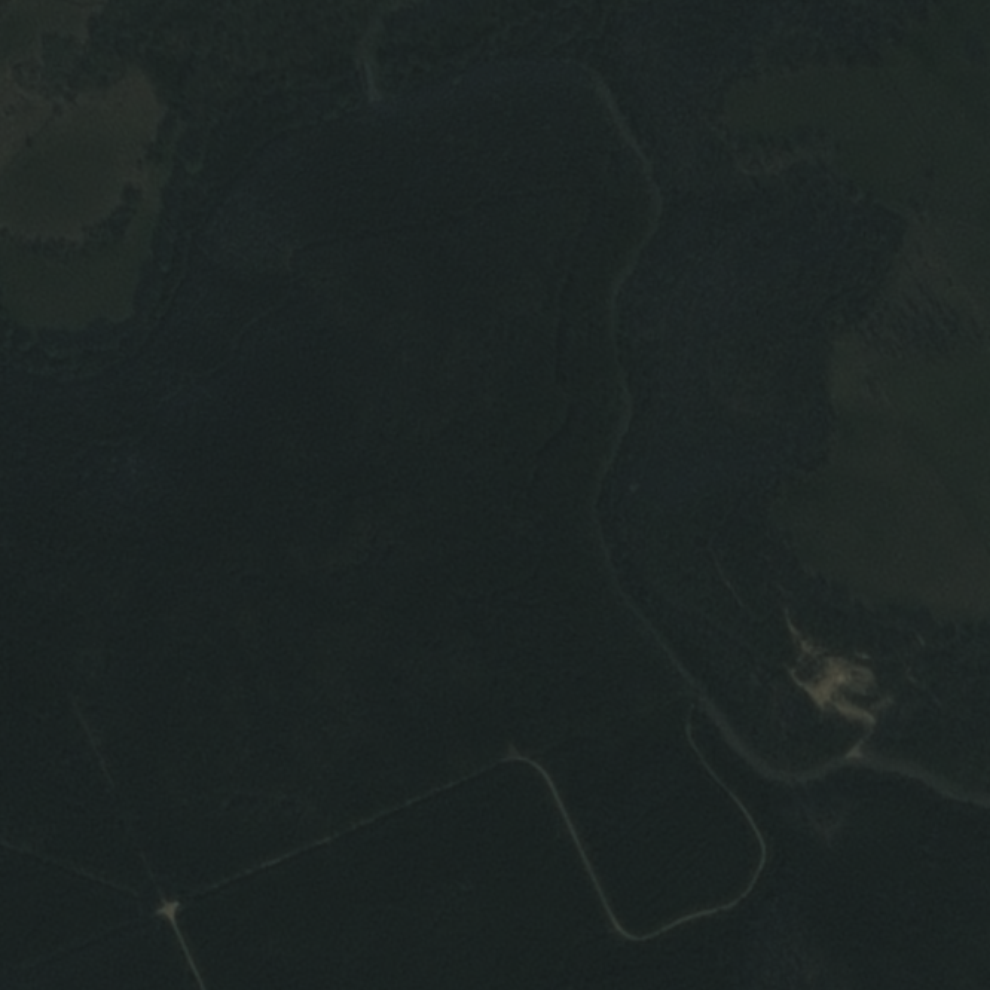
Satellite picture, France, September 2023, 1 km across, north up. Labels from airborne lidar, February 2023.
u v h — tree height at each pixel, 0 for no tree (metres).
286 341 15
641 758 8
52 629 14
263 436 16
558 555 21
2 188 0
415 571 15
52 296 0
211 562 14
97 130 0
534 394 15
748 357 14
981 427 0
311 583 13
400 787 14
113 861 13
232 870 9
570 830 0
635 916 7
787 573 13
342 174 18
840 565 0
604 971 7
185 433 14
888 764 0
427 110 18
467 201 17
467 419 14
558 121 19
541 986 7
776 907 11
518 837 6
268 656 13
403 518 12
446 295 14
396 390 15
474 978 7
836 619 16
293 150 11
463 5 24
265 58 15
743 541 15
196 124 12
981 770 14
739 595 16
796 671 0
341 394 19
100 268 0
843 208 14
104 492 24
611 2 19
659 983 6
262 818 10
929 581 0
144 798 12
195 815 11
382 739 15
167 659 15
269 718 14
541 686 17
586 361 23
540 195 13
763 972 28
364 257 15
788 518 0
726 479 18
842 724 17
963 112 0
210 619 15
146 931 15
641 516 17
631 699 16
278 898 5
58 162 0
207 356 17
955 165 0
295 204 14
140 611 18
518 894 6
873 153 0
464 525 13
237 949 7
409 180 18
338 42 20
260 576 13
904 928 7
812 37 19
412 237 14
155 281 23
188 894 22
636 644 14
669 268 21
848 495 0
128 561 17
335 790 14
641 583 7
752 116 0
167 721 12
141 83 0
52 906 6
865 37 20
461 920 6
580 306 18
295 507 11
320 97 22
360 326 10
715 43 5
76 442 23
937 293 0
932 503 0
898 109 0
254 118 20
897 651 16
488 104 17
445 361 11
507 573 13
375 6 16
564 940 7
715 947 8
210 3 16
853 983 0
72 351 22
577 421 16
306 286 11
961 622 0
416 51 12
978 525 0
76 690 15
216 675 13
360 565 9
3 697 15
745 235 20
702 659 11
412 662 11
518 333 13
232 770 10
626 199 17
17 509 18
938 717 13
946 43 0
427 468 12
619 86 6
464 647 14
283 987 6
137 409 16
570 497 20
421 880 5
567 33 10
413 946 8
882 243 22
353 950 6
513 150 18
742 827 7
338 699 12
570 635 20
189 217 24
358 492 13
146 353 12
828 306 21
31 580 14
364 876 7
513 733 13
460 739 15
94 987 15
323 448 16
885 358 0
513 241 13
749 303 15
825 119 0
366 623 14
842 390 0
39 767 14
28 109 0
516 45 7
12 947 7
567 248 12
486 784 7
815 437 18
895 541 0
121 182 0
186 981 14
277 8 17
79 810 15
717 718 0
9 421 25
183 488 22
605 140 16
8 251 0
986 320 0
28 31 0
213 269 15
